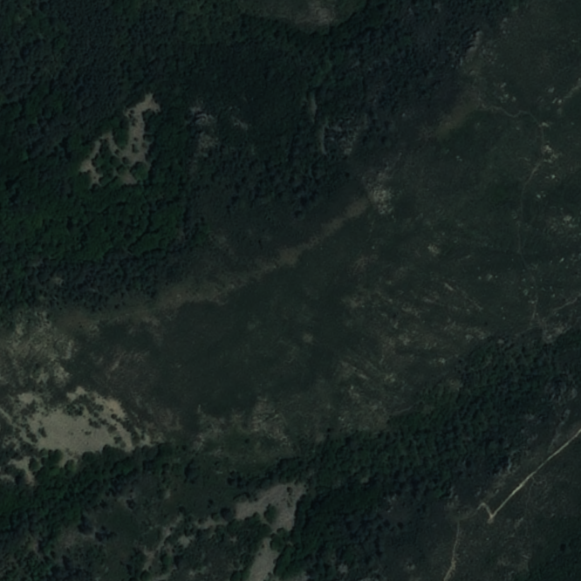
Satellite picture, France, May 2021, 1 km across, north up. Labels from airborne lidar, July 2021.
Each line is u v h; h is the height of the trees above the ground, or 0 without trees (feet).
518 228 0
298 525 42
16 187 89
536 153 0
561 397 19
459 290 0
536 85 0
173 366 0
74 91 90
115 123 65
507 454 24
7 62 104
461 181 0
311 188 24
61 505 79
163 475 47
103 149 42
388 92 23
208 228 40
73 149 102
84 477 57
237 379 0
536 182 0
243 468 0
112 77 90
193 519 26
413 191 0
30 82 88
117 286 79
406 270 0
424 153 0
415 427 46
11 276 56
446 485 22
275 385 0
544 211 0
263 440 0
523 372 37
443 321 0
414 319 0
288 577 41
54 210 87
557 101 0
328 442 45
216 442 0
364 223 0
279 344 0
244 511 0
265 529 44
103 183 35
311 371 0
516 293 0
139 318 0
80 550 21
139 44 52
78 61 73
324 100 45
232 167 62
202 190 43
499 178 0
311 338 0
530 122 0
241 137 27
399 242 0
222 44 43
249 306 0
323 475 52
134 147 31
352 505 79
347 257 0
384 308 0
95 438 0
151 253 71
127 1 54
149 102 0
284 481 21
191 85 53
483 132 0
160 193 79
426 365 0
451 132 0
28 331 0
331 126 26
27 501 77
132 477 95
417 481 35
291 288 0
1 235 67
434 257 0
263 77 38
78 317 0
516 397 47
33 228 46
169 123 86
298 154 61
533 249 0
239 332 0
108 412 0
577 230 0
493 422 47
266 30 48
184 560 76
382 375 0
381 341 0
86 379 0
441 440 47
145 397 0
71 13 81
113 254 97
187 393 0
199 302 0
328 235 0
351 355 0
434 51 20
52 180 98
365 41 74
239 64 50
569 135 0
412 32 26
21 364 0
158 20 76
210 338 0
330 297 0
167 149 88
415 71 57
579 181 0
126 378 0
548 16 0
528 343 26
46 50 95
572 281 0
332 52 66
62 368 0
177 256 59
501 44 0
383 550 78
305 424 0
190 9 47
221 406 0
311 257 0
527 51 0
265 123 24
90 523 90
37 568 43
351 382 0
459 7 21
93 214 101
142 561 33
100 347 0
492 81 0
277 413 0
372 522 85
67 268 69
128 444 0
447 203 0
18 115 52
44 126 90
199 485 88
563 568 29
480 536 0
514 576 36
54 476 27
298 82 36
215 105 23
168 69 56
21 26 49
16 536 106
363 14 70
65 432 0
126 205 87
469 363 28
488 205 0
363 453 43
